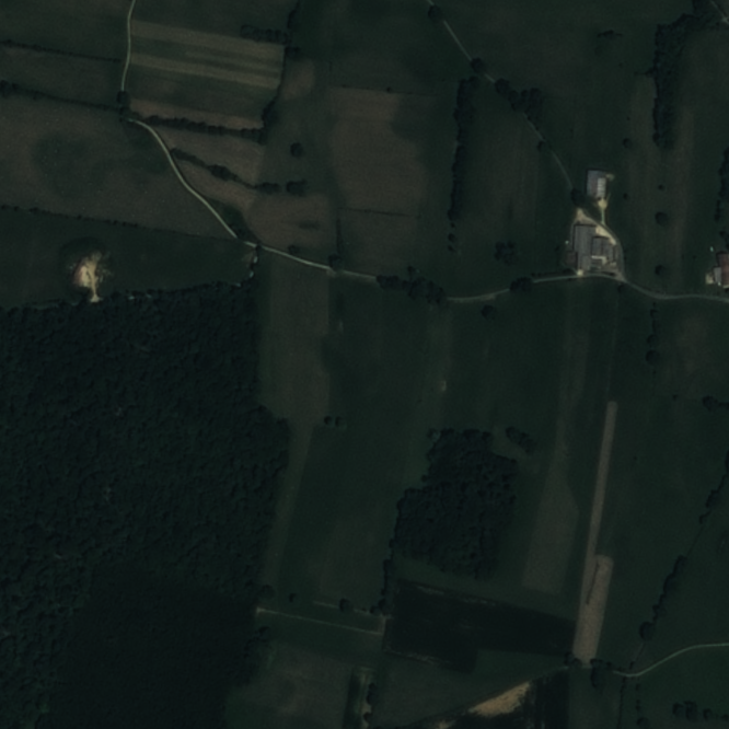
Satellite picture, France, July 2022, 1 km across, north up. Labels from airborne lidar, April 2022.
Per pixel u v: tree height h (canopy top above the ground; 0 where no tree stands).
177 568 20
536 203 0
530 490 0
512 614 0
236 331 20
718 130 0
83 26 0
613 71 0
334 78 0
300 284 0
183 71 0
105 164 0
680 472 0
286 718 0
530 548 0
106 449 22
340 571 0
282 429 19
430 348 0
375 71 0
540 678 0
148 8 0
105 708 13
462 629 0
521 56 0
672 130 15
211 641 13
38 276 0
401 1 0
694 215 0
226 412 18
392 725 0
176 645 12
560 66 0
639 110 0
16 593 24
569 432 0
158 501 17
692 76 0
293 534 0
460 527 29
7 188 0
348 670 0
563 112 0
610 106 0
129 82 0
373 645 0
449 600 0
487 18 0
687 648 0
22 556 8
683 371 0
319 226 0
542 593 0
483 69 22
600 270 0
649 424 0
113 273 0
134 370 23
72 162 0
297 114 0
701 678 0
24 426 15
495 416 0
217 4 0
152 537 21
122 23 0
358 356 0
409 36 0
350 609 17
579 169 0
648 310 0
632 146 12
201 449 17
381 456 0
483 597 0
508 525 18
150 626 13
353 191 0
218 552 18
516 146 0
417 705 0
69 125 0
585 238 0
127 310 22
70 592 21
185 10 0
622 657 0
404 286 16
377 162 0
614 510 0
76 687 14
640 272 0
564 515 0
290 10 0
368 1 0
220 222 0
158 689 14
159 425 16
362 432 0
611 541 0
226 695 10
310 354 0
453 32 0
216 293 18
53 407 20
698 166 0
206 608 12
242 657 10
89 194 0
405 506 19
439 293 18
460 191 14
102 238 0
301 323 0
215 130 12
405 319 0
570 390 0
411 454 0
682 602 0
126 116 16
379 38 0
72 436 21
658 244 0
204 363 26
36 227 0
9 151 0
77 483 12
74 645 11
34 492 20
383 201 0
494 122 0
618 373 0
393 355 0
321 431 0
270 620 0
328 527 0
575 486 0
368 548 0
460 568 21
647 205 0
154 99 0
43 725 12
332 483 0
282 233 0
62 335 19
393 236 0
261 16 0
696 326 0
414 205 0
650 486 0
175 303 23
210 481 18
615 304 0
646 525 0
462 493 8
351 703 0
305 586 0
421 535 20
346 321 0
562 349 0
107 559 11
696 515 0
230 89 0
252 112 0
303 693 0
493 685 0
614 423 0
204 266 0
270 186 13
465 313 0
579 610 0
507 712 0
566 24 0
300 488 0
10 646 20
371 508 0
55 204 0
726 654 0
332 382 0
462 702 0
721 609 0
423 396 0
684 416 0
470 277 0
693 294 0
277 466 16
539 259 0
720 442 0
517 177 0
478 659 0
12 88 20
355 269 0
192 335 21
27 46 9
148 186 0
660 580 0
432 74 0
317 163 0
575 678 0
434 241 0
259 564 24
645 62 0
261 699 0
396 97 0
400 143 0
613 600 0
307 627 0
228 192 0
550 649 0
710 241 0
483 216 0
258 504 20
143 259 0
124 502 20
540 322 0
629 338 0
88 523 25
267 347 0
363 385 0
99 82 0
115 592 13
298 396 0
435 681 0
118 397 20
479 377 0
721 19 0
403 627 0
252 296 18
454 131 0
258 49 0
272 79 0
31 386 14
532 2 0
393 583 13
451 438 23
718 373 0
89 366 22
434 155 0
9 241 0
